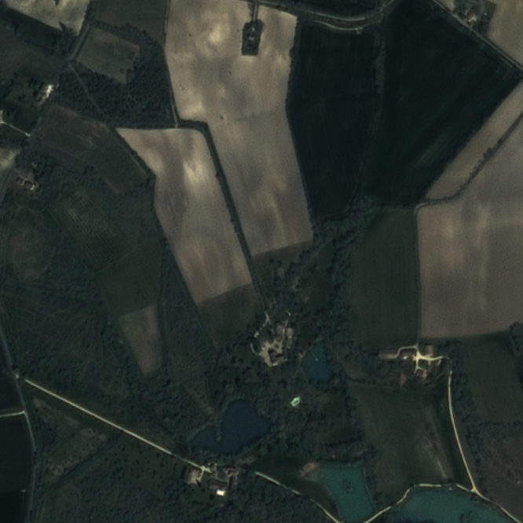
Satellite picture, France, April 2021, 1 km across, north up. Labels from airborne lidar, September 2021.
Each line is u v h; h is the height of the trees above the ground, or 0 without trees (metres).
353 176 0
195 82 0
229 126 0
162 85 11
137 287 0
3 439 0
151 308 0
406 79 0
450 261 0
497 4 0
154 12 0
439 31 0
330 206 0
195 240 0
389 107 0
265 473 0
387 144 0
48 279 6
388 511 7
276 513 22
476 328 0
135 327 0
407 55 0
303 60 0
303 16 18
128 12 0
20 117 0
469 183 7
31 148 12
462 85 0
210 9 0
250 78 0
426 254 0
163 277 6
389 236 0
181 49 0
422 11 0
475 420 15
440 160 0
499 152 0
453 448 0
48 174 9
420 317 0
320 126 0
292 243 0
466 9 16
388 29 0
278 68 0
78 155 0
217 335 0
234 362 6
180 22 0
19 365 6
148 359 0
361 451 19
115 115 11
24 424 0
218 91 0
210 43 0
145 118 6
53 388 7
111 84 12
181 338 0
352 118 0
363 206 19
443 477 0
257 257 0
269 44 0
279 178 0
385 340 0
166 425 7
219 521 14
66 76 9
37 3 0
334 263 14
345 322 15
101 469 8
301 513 20
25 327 8
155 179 11
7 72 0
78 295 8
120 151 0
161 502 13
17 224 0
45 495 8
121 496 5
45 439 9
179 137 0
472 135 14
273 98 0
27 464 0
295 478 0
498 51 0
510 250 0
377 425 0
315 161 0
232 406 0
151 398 10
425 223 0
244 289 0
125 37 18
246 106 0
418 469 0
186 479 13
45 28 0
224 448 0
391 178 0
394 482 0
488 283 0
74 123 0
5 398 0
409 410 0
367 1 0
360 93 0
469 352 0
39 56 0
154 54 12
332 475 0
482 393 0
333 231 15
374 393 0
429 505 0
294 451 34
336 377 14
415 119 0
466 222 0
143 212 0
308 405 17
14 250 0
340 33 0
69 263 6
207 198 0
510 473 12
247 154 0
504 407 0
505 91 0
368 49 0
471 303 0
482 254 0
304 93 0
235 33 0
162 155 0
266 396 12
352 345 13
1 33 0
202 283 0
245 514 13
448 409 0
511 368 0
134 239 0
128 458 10
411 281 0
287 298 20
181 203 0
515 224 0
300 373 20
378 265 0
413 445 0
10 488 0
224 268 0
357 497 0
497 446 11
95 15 14
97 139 0
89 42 0
